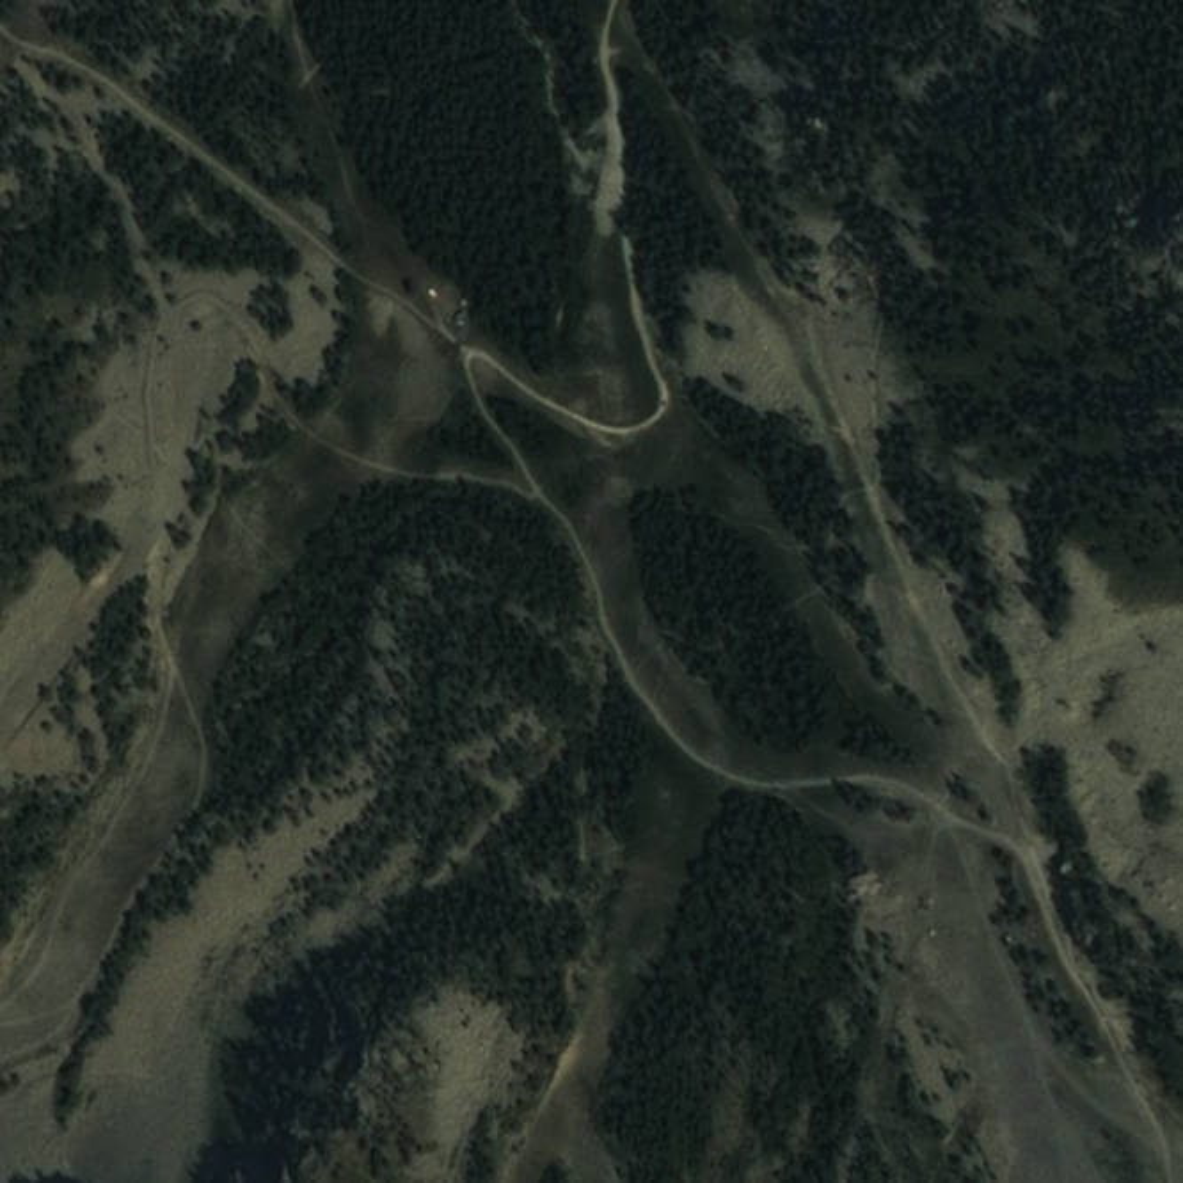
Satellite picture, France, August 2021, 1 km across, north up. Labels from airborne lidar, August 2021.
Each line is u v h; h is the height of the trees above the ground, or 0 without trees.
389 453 0
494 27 29
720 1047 11
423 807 12
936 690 0
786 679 13
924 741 0
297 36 0
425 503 15
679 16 19
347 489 0
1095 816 0
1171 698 0
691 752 0
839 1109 15
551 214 17
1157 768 0
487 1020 0
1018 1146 0
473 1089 0
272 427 20
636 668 0
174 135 0
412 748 17
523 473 0
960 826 0
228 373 0
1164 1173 0
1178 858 0
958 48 10
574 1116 0
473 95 24
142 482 0
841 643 0
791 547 0
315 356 0
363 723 11
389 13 18
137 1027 0
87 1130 0
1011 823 0
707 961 13
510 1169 0
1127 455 0
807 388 0
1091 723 0
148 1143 0
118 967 14
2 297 12
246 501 0
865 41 16
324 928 0
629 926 0
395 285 0
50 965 0
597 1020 0
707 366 0
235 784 14
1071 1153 0
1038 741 0
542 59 12
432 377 0
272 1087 17
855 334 0
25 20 0
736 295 0
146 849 0
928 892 0
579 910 15
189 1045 0
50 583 0
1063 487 23
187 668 0
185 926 0
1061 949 0
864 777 0
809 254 16
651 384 0
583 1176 0
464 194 21
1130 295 15
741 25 0
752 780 0
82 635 0
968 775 0
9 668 0
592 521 0
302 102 0
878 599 0
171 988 0
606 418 0
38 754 0
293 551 0
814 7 8
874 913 0
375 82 19
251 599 0
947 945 0
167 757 0
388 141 10
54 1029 0
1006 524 0
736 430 13
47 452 18
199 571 0
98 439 0
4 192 0
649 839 0
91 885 0
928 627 0
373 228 0
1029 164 19
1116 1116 0
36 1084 0
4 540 20
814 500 9
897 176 0
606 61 0
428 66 24
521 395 0
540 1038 7
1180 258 7
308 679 12
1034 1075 0
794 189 18
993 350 0
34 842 8
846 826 0
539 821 8
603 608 0
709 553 14
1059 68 12
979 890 0
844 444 0
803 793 0
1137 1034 0
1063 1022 15
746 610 9
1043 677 0
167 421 0
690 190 14
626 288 0
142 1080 0
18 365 0
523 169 17
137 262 0
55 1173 0
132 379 0
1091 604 0
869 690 0
